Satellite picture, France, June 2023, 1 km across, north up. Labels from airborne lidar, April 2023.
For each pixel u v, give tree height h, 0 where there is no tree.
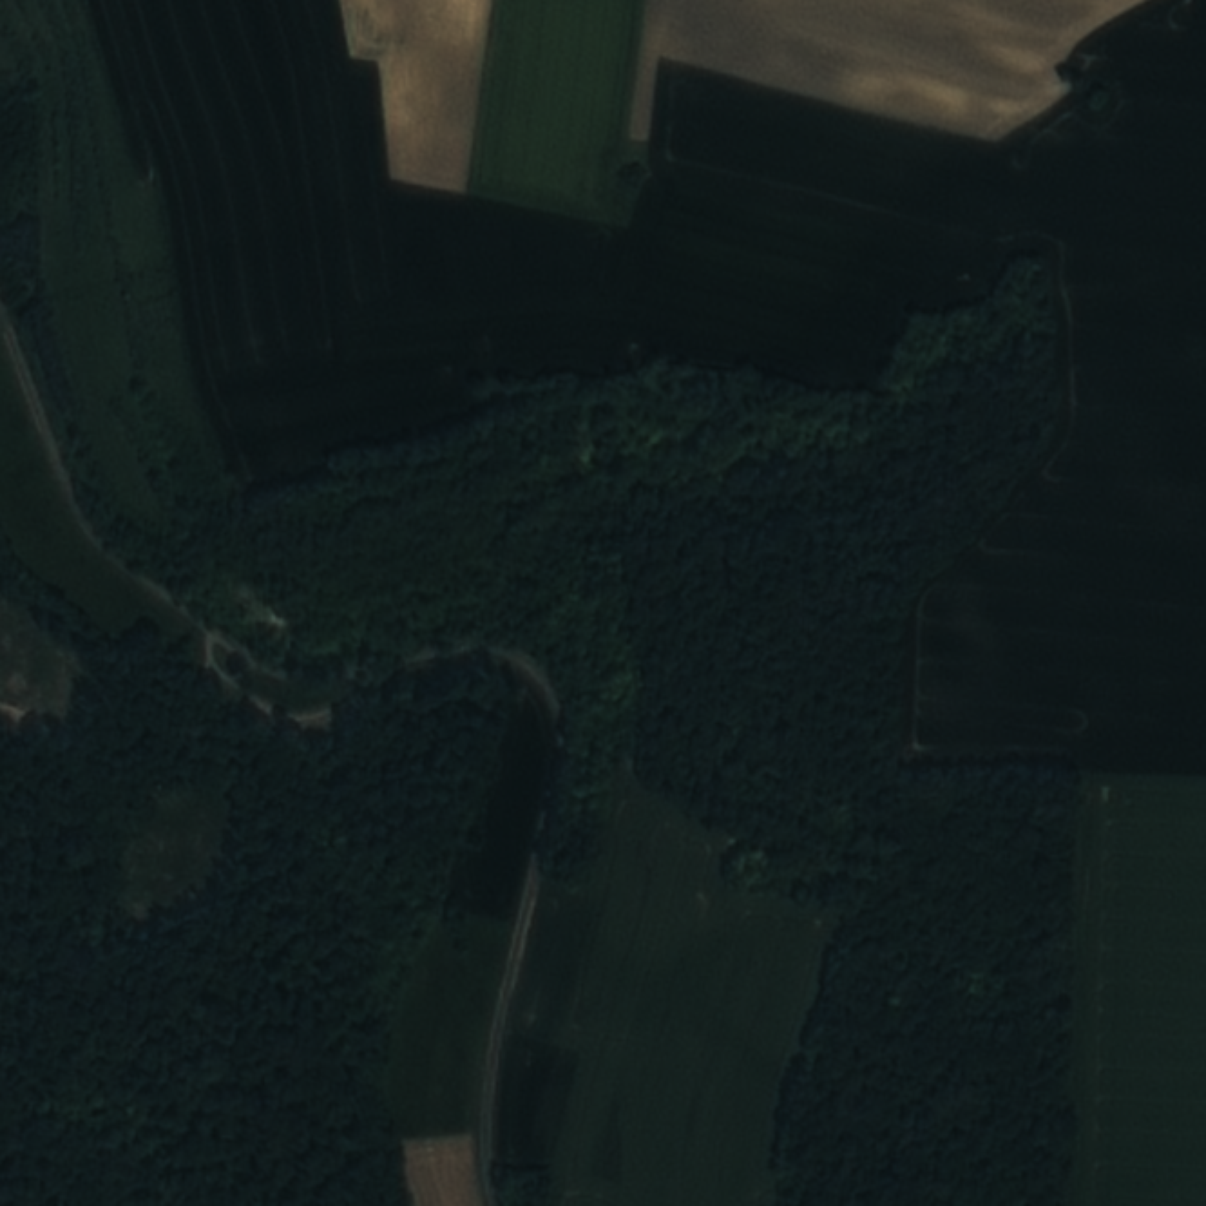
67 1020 23
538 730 0
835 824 9
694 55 0
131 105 0
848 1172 22
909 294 0
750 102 0
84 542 0
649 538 26
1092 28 0
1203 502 0
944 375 28
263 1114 25
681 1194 0
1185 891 0
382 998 9
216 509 13
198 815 0
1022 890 21
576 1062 0
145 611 0
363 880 11
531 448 20
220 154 0
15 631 0
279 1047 22
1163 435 0
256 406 0
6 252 11
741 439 21
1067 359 0
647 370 10
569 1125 0
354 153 0
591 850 22
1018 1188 21
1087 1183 0
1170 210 0
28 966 18
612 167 0
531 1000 0
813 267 0
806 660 19
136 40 0
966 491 21
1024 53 0
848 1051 22
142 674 23
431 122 0
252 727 23
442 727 19
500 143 0
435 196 0
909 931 20
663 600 22
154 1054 17
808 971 0
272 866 18
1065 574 0
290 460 0
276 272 0
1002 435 23
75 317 0
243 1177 22
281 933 18
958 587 0
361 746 21
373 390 0
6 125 12
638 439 21
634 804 0
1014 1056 20
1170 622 0
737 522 24
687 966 0
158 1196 18
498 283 0
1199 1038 0
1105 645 0
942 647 0
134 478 0
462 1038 0
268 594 6
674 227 0
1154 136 0
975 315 16
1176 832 0
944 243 0
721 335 0
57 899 22
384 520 26
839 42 0
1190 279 0
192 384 0
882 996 12
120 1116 10
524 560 24
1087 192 0
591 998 0
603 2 0
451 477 28
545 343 0
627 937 0
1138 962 0
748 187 0
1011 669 0
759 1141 0
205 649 0
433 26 0
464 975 0
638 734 14
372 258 0
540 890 0
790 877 6
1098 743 0
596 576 21
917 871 21
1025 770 21
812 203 0
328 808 24
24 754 27
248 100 0
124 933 13
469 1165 0
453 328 0
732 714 15
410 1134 0
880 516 21
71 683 0
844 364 0
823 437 14
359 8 0
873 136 0
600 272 0
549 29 0
